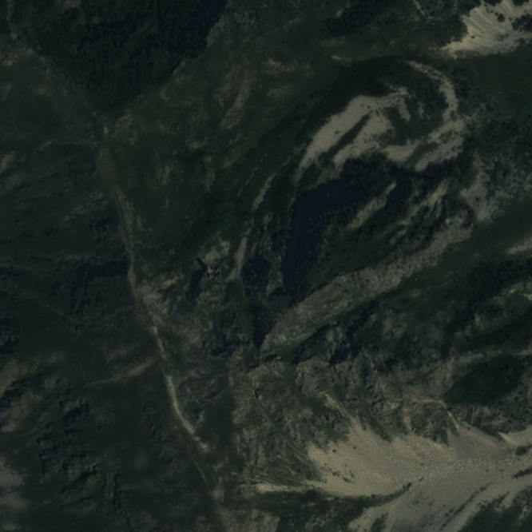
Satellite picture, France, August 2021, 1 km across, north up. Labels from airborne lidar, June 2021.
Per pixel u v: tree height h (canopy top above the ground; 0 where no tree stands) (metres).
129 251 0
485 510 0
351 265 0
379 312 0
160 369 0
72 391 0
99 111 0
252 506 0
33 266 0
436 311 0
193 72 0
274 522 0
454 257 0
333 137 0
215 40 0
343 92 5
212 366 0
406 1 0
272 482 0
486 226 0
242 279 0
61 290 0
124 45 13
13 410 0
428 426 0
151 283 0
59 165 0
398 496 0
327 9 0
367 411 0
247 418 0
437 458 0
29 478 0
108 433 0
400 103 0
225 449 0
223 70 0
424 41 0
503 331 8
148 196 0
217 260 0
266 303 0
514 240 0
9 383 0
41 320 0
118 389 0
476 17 0
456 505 0
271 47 0
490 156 0
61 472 0
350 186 6
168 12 6
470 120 0
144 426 0
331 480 0
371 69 6
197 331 0
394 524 0
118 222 0
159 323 0
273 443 0
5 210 0
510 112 0
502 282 8
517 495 0
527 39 0
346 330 0
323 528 0
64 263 0
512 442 0
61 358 0
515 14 0
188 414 0
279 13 0
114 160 0
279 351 0
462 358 0
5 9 0
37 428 0
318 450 0
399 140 0
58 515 0
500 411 9
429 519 0
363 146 0
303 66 0
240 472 0
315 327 0
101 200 0
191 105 0
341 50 0
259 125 0
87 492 0
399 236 0
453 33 0
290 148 0
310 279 0
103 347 0
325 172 0
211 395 0
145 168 0
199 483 0
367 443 0
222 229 0
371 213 0
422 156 0
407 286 0
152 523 0
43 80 0
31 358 0
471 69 0
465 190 0
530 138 0
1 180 0
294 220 0
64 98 0
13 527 0
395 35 0
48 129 0
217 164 0
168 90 0
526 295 0
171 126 0
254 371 0
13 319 0
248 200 0
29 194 0
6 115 0
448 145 0
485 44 0
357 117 0
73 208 0
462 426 0
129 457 0
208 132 0
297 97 0
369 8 9
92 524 0
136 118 0
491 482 0
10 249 0
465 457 0
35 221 0
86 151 0
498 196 0
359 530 0
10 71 0
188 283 0
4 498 0
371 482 0
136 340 0
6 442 0
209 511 0
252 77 0
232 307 0
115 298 0
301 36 0
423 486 0
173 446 0
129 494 0
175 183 0
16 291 0
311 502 0
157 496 0
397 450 0
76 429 0
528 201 0
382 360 0
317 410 0
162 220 0
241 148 0
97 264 0
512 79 0
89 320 0
